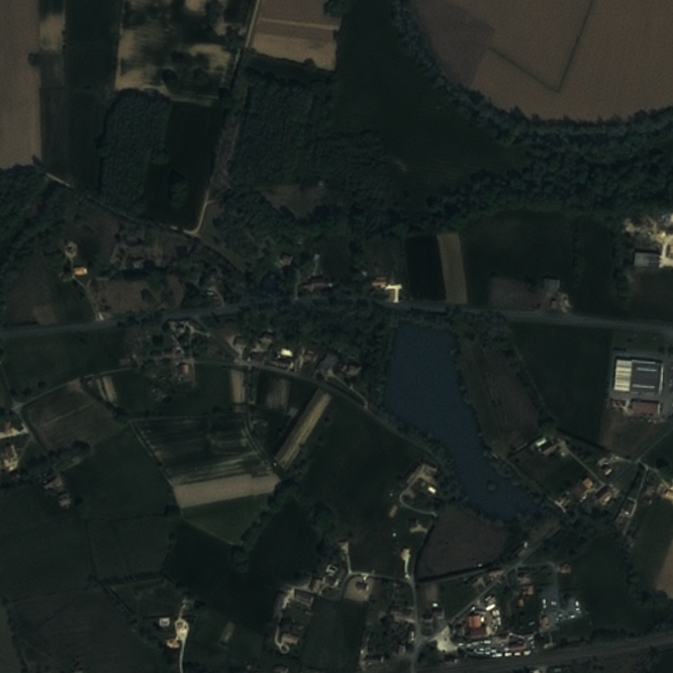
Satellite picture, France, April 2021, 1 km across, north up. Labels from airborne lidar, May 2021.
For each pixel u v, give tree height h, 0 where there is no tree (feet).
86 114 0
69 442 0
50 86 0
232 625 0
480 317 23
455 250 0
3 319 47
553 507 37
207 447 0
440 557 0
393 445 0
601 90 0
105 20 0
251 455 0
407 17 50
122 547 0
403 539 0
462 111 46
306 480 0
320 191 0
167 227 47
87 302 0
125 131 67
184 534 0
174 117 0
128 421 52
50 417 0
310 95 63
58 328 0
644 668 27
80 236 0
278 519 0
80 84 0
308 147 30
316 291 29
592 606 0
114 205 68
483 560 0
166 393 0
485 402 0
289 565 0
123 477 0
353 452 0
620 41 0
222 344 0
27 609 0
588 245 0
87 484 0
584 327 0
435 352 0
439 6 0
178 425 0
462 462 0
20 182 80
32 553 0
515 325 0
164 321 57
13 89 0
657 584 0
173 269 32
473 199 66
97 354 0
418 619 0
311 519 34
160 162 63
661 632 48
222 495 0
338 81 25
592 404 0
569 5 0
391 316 41
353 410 0
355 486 0
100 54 0
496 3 0
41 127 0
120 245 44
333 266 0
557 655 0
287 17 0
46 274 0
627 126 61
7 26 0
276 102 70
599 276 0
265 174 84
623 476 0
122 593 0
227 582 0
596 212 61
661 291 0
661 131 45
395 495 0
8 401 0
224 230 56
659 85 0
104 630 0
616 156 35
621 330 0
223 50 0
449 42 0
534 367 0
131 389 0
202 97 0
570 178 26
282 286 56
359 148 29
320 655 0
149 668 0
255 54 36
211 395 0
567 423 0
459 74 0
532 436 0
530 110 0
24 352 0
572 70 0
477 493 0
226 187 31
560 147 45
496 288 0
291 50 0
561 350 0
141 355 58
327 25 0
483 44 0
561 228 0
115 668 0
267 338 0
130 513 0
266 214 75
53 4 0
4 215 45
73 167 0
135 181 72
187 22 0
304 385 0
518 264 0
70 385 0
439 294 0
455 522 0
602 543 0
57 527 0
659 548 0
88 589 21
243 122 53
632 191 53
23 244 37
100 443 0
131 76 0
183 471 0
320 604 0
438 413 0
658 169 31
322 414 0
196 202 0
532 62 0
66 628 0
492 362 0
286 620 34
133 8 0
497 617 0
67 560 0
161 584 22
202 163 0
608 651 0
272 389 0
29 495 0
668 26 0
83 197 59
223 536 0
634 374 0
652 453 0
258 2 0
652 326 0
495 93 0
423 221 28
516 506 0
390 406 0
